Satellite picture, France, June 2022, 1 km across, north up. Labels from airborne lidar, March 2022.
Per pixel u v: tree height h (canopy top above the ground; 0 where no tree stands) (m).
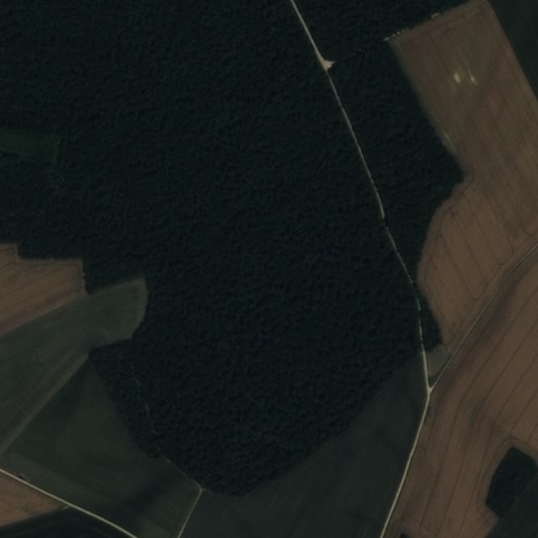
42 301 0
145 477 0
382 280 21
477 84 0
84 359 0
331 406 16
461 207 0
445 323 0
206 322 21
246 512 0
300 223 17
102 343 0
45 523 0
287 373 20
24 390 0
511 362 0
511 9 0
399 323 18
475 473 0
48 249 17
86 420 0
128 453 0
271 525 0
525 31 0
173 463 13
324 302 24
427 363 0
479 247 0
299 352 23
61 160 15
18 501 0
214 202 19
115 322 0
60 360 0
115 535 0
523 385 0
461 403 0
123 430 0
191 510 0
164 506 0
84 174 20
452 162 14
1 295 0
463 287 0
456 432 0
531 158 0
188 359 21
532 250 0
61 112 21
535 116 0
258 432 17
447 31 0
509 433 0
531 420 0
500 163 0
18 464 0
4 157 15
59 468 0
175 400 22
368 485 0
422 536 0
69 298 0
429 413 0
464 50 0
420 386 0
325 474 0
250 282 18
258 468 13
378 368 18
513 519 0
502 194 0
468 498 0
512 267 0
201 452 11
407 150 18
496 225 0
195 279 9
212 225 23
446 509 0
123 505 0
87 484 0
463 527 0
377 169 20
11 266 0
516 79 0
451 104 0
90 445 0
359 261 22
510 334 0
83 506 0
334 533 0
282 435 18
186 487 0
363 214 14
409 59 0
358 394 13
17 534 0
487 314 0
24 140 0
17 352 0
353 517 0
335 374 17
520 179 0
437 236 0
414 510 0
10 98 17
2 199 15
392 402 0
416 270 13
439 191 22
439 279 0
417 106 16
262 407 17
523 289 0
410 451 0
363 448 0
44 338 0
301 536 0
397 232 20
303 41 16
